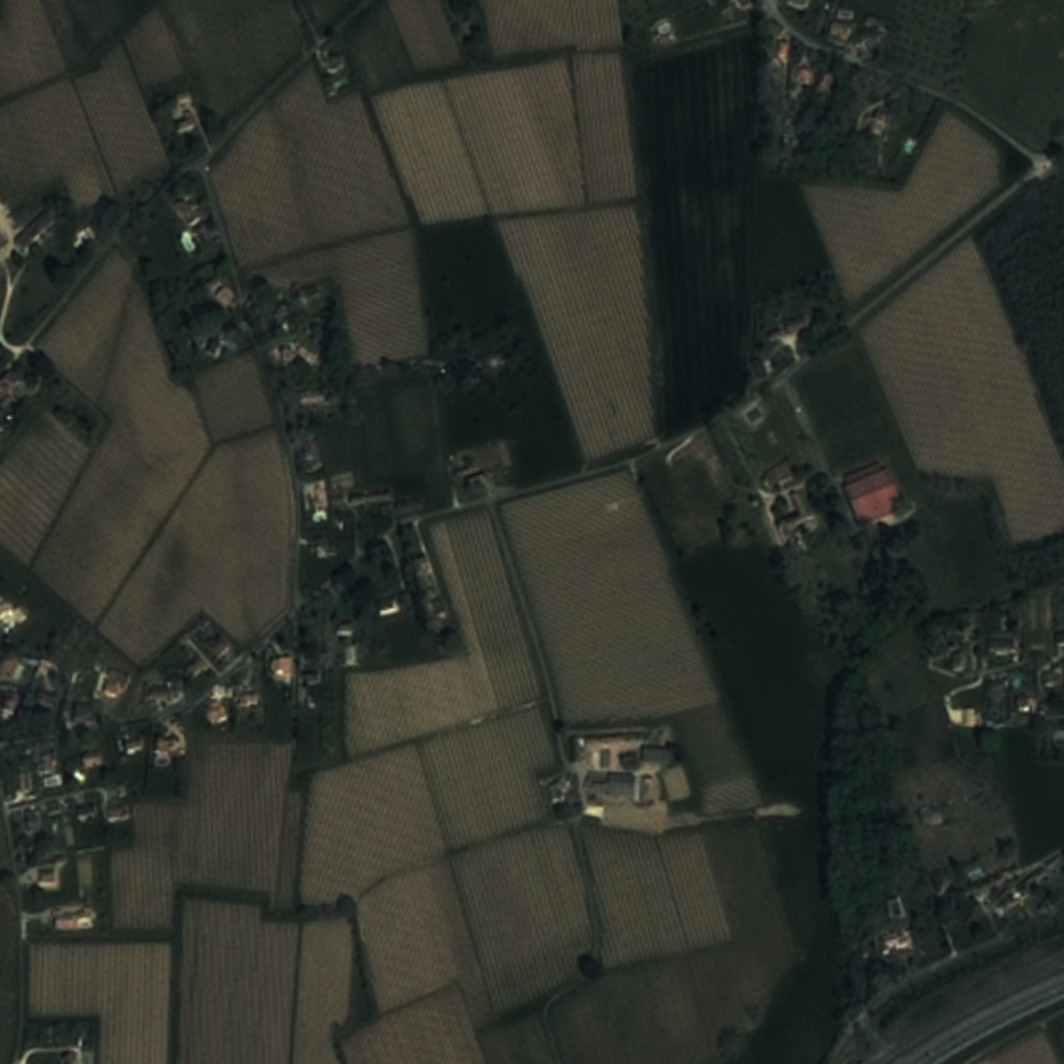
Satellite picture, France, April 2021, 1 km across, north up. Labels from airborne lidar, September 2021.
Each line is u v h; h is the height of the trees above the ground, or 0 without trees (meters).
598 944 0
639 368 0
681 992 0
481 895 0
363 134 0
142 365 0
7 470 0
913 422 0
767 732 0
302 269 0
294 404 18
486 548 0
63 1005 0
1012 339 0
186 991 0
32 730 10
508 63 0
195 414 0
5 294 0
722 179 0
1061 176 17
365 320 0
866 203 0
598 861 0
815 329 9
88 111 0
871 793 23
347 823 0
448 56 0
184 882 0
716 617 0
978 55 0
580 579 0
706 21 0
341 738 0
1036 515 0
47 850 16
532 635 0
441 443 0
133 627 0
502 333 16
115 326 0
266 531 0
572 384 0
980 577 0
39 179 0
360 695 0
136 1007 0
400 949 0
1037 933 12
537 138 0
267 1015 0
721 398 0
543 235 0
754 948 0
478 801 0
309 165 0
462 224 0
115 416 0
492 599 0
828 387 0
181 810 0
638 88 0
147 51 0
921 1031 0
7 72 0
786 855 0
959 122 0
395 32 0
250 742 0
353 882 0
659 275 0
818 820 0
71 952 0
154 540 0
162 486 0
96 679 0
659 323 0
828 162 17
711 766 0
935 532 0
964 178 0
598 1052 0
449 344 13
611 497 0
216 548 0
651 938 0
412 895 0
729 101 0
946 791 0
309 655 13
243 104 0
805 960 0
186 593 0
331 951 0
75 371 0
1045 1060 0
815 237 0
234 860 0
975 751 0
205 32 0
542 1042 0
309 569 0
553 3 0
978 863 8
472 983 0
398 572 15
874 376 0
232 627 0
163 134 13
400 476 0
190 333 16
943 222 0
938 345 0
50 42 0
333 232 0
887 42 7
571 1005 0
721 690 0
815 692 0
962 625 6
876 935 10
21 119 0
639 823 0
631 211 0
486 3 0
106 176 0
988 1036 0
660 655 0
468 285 0
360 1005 0
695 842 0
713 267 0
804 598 31
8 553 0
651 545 0
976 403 0
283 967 0
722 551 0
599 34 0
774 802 0
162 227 0
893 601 22
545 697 0
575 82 0
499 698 0
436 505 0
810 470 10
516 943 0
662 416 0
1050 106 0
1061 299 21
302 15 10
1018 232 19
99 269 0
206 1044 0
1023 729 0
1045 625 0
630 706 0
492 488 0
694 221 0
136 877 0
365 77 0
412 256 0
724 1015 0
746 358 0
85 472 0
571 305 0
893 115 18
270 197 0
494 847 0
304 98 0
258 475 0
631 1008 0
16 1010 0
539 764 0
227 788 0
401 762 0
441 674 0
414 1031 0
